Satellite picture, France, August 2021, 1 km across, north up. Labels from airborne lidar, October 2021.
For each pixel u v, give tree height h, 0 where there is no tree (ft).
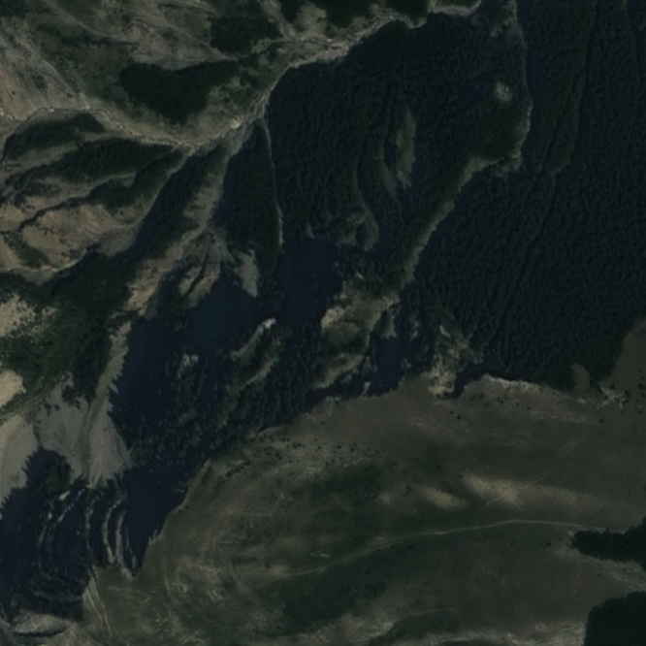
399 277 34
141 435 23
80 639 0
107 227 0
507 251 58
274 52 19
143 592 0
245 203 26
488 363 23
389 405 0
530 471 0
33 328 0
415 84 74
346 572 0
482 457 0
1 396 0
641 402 0
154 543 0
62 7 0
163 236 31
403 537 0
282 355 0
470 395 0
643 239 56
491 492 0
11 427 0
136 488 0
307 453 0
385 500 0
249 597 0
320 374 56
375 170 34
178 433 34
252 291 0
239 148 0
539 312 56
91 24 0
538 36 34
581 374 0
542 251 43
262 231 30
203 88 48
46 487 27
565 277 53
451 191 36
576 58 52
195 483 0
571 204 62
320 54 0
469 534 0
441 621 0
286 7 22
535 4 35
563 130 39
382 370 0
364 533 0
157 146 28
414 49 46
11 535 0
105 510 30
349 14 30
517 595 0
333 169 80
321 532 0
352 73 27
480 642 0
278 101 25
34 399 0
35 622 0
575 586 0
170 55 0
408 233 67
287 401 54
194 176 33
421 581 0
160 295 0
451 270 66
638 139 51
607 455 0
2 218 0
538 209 59
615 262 68
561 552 0
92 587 0
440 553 0
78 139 24
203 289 0
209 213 0
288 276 0
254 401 46
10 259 0
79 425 0
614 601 19
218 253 0
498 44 41
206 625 0
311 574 0
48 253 0
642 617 28
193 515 0
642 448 0
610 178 55
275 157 20
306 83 36
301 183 77
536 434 0
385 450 0
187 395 24
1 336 0
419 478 0
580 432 0
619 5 35
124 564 0
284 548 0
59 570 30
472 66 52
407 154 0
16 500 0
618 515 0
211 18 30
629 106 48
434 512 0
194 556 0
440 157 55
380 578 0
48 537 22
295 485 0
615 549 35
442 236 19
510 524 0
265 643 0
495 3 26
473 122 60
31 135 30
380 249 0
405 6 34
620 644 27
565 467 0
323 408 0
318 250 0
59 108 0
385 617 0
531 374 30
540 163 45
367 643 0
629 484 0
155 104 43
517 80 41
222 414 39
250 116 0
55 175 24
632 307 50
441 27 44
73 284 27
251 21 22
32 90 0
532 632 0
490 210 70
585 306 58
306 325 61
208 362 31
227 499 0
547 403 0
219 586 0
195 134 0
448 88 54
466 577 0
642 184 78
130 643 0
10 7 25
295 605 0
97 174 34
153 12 0
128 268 35
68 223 0
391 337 0
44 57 0
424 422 0
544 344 71
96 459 0
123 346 0
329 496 0
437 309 23
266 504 0
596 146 59
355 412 0
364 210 25
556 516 0
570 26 40
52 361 0
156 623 0
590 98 54
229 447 23
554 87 46
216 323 0
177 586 0
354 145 63
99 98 0
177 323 28
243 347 25
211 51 0
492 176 28
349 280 51
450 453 0
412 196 20
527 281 49
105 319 19
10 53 0
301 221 23
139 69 47
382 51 39
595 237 70
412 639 0
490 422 0
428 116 74
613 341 39
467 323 82
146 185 27
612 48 60
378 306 0
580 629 0
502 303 44
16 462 0
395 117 59
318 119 83
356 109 42
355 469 0
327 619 0
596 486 0
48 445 0
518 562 0
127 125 0
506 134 36
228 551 0
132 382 0
